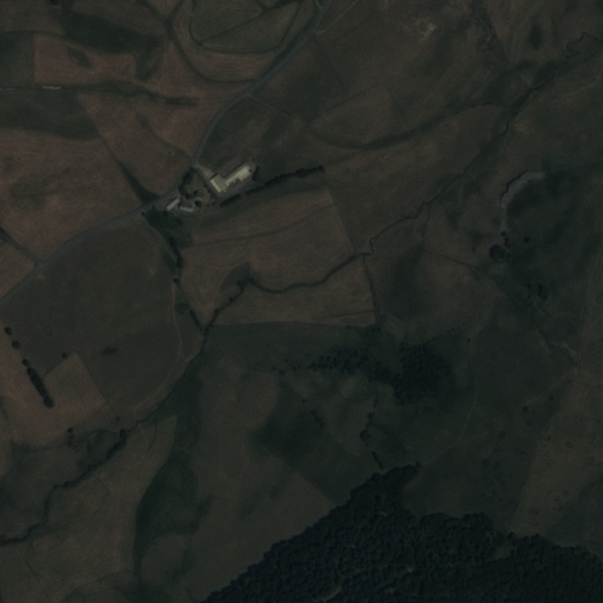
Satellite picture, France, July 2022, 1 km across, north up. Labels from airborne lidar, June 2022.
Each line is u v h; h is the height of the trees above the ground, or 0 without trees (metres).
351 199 0
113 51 0
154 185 0
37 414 0
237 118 0
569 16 0
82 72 0
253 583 23
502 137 0
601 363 0
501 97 0
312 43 0
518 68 0
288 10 0
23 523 0
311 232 0
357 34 0
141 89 0
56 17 0
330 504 0
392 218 0
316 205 0
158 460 0
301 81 0
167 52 0
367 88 0
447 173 0
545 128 0
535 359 0
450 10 0
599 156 0
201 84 0
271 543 0
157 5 0
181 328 0
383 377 8
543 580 11
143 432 0
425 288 0
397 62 0
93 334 0
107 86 0
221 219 0
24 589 0
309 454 0
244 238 0
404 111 0
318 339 0
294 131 0
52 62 0
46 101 0
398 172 0
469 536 16
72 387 0
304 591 25
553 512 0
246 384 0
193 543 0
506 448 0
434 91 0
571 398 0
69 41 0
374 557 19
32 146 0
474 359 0
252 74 0
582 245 0
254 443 0
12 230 0
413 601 16
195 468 0
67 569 0
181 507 0
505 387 0
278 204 0
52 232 0
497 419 0
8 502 0
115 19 0
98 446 0
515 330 0
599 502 0
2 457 0
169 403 0
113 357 0
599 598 11
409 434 0
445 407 0
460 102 0
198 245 0
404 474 20
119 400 0
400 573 17
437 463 0
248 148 0
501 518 0
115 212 0
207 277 0
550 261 0
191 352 0
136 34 0
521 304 0
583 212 0
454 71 0
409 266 0
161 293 0
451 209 0
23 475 0
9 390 0
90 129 0
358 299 0
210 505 0
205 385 0
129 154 0
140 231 0
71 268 0
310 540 21
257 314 0
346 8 0
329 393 0
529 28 0
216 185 0
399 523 19
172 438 0
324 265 0
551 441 0
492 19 0
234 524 0
